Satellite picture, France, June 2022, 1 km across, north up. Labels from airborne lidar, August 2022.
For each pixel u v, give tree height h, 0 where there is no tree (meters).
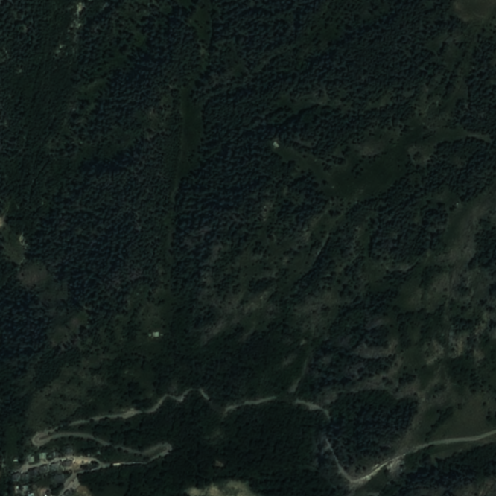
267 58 24
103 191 29
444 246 11
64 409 6
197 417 30
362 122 21
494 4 0
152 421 17
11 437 0
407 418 27
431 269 11
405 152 0
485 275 6
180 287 8
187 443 21
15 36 16
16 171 11
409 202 19
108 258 34
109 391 7
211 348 11
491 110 28
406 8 20
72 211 13
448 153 16
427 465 29
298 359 10
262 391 9
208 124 19
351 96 25
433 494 0
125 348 8
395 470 0
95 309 34
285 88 19
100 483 8
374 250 20
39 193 14
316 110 17
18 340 29
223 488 0
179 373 6
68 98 9
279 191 16
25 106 12
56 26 7
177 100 13
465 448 0
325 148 17
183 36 26
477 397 0
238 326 9
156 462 14
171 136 15
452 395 0
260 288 13
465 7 0
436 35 24
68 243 26
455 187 14
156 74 20
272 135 30
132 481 18
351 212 7
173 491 20
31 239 8
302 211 20
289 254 12
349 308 6
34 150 14
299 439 12
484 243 11
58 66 11
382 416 23
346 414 13
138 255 12
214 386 23
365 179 0
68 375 0
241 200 25
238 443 9
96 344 10
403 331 18
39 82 7
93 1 8
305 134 26
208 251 11
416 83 20
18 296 17
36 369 13
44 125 12
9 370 15
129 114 16
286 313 7
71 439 14
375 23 8
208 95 17
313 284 14
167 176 15
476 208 0
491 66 15
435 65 16
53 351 11
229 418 9
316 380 9
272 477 8
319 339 9
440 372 0
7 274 31
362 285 8
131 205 16
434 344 0
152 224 29
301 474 10
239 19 34
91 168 13
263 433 21
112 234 30
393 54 28
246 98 18
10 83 20
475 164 6
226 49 8
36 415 0
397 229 26
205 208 27
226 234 9
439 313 12
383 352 0
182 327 9
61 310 6
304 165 0
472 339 13
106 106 32
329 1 25
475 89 22
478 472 12
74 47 16
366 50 15
